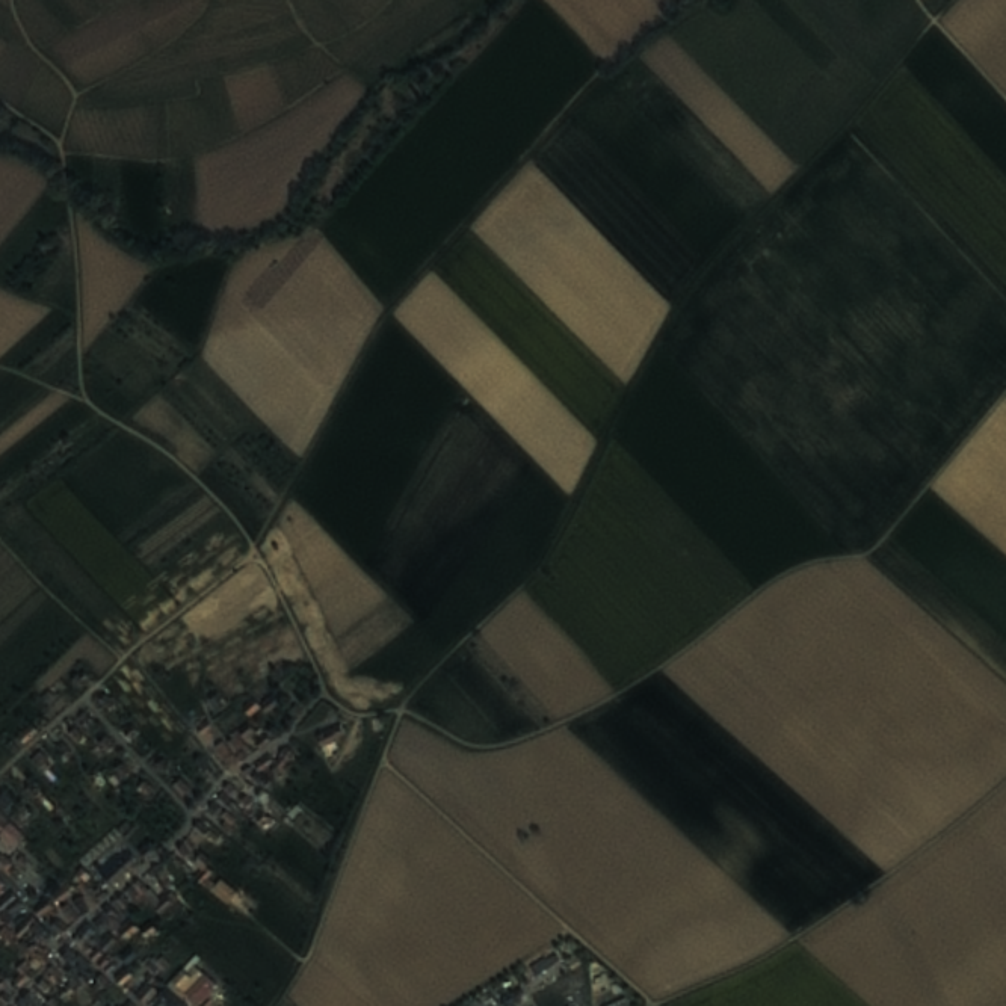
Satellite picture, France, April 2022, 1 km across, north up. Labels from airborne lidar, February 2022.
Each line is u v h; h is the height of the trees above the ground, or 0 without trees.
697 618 0
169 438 0
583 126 0
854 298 0
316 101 0
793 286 0
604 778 0
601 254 0
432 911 0
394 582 0
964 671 0
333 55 0
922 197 0
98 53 0
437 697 0
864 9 0
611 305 0
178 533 0
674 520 0
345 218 0
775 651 0
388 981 0
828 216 0
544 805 0
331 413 0
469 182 0
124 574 0
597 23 0
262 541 0
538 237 0
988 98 0
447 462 0
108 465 0
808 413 0
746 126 0
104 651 0
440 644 0
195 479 0
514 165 0
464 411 0
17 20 0
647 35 16
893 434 0
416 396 0
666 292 0
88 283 0
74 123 0
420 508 0
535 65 0
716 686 0
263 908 0
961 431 0
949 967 0
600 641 0
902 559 0
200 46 0
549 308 0
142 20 0
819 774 0
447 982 0
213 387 0
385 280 0
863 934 0
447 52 10
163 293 0
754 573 0
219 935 0
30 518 0
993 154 0
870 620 0
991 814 0
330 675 0
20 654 0
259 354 0
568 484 0
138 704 0
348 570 0
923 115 0
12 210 0
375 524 0
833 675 0
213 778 0
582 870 0
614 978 6
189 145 0
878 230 0
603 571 0
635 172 0
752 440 0
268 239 14
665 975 0
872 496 0
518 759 0
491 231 0
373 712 0
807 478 0
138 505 0
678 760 0
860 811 0
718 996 0
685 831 0
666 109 0
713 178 0
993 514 0
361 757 0
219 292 0
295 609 0
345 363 0
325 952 0
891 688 0
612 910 0
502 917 0
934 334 0
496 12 13
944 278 0
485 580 0
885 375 0
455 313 0
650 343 0
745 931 0
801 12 0
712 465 0
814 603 0
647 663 0
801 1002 0
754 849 0
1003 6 0
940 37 0
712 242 0
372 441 0
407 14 0
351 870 0
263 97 0
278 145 0
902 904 0
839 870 0
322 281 0
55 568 0
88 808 6
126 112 0
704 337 0
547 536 0
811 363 0
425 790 0
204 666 0
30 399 0
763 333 0
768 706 0
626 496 0
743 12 0
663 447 0
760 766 0
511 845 0
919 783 0
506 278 0
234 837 0
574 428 0
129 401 0
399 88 11
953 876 0
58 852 0
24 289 9
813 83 0
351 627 0
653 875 0
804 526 0
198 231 9
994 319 0
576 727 0
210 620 0
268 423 0
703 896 0
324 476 0
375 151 9
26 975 0
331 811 0
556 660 0
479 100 0
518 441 0
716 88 0
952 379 0
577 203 0
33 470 7
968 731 0
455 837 0
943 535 0
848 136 0
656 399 0
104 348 0
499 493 0
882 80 0
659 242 0
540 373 0
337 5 0
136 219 0
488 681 0
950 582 0
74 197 19
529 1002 0
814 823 0
